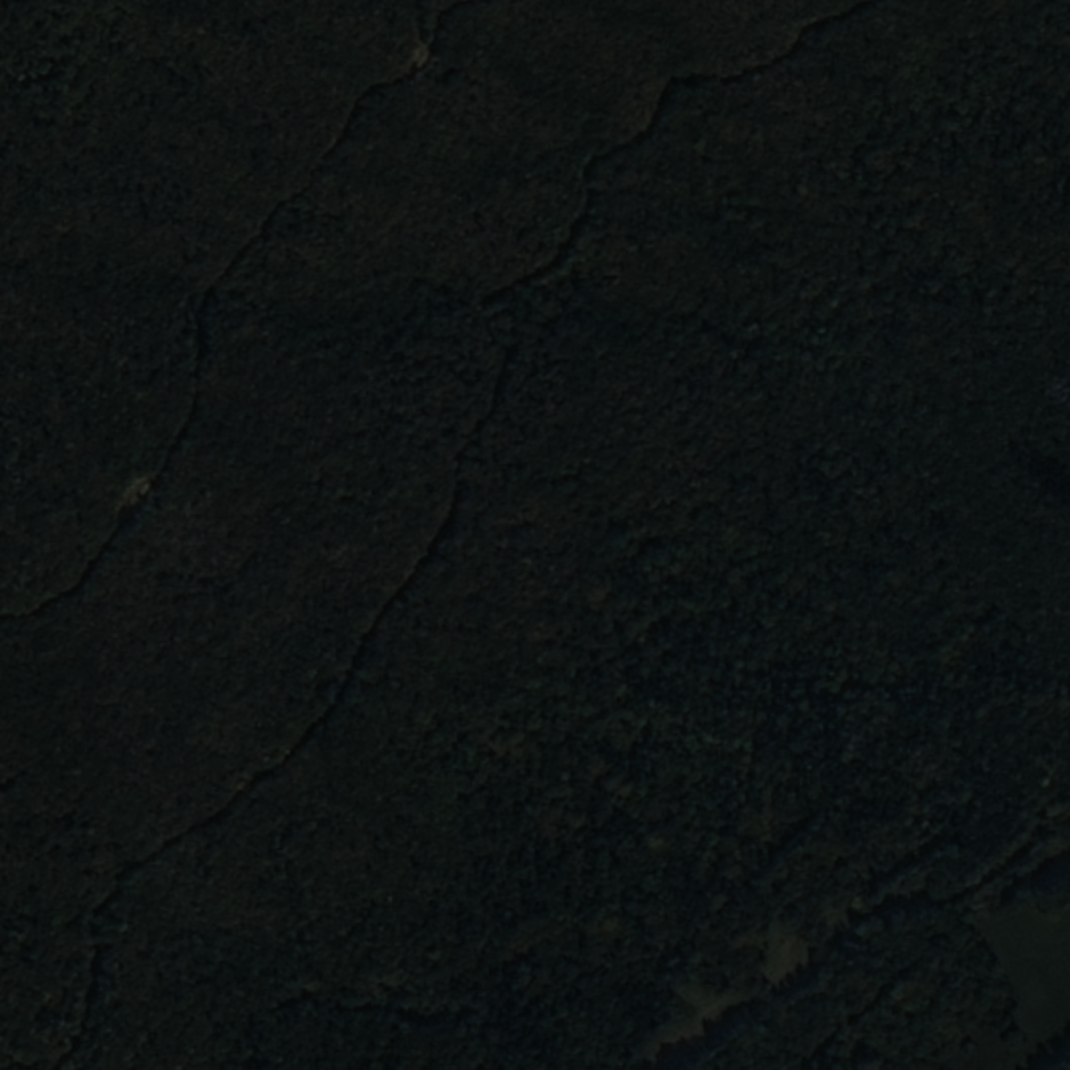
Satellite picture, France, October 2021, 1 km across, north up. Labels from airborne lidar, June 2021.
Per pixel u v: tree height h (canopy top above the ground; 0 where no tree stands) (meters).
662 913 22
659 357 21
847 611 23
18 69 21
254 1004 23
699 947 20
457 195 18
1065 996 0
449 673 24
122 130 12
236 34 19
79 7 18
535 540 21
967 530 21
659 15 25
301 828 18
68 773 24
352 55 18
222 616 15
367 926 23
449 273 18
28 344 22
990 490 19
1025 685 22
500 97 14
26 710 25
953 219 23
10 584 16
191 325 24
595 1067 21
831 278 16
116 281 23
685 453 19
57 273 25
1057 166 22
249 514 15
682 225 24
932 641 24
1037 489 18
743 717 20
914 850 8
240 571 13
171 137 15
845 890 21
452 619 20
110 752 18
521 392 16
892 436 22
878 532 21
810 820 25
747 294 20
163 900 18
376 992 18
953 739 24
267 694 20
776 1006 17
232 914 16
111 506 14
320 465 22
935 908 17
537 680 26
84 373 22
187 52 19
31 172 15
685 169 23
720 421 18
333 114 17
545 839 25
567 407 22
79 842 21
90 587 18
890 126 17
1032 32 22
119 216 21
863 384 23
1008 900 17
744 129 23
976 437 18
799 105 20
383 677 19
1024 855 7
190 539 15
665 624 21
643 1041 25
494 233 15
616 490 15
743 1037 23
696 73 16
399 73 12
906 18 20
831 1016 21
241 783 14
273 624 16
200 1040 23
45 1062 22
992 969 30
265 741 24
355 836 17
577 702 23
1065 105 27
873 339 14
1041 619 21
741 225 21
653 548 20
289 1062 26
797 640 22
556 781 25
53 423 19
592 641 24
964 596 17
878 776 15
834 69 23
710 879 25
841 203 15
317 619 20
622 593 23
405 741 22
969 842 19
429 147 20
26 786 25
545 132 22
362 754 19
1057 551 19
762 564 23
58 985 21
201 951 18
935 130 21
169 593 16
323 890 18
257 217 17
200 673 17
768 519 22
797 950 0
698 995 0
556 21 15
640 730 20
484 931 26
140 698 20
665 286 24
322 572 19
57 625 18
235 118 22
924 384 19
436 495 24
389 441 20
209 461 21
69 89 15
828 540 20
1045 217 21
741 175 22
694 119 26
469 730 24
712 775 23
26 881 28
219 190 18
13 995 23
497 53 21
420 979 24
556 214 21
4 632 22
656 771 27
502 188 21
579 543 25
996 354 18
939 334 18
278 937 20
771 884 23
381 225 16
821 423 20
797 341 23
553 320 28
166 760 19
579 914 25
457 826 27
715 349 27
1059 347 18
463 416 19
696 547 30
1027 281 17
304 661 23
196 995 19
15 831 20
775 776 24
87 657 22
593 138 20
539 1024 29
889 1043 24
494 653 21
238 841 20
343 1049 27
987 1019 22
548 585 20
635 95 16
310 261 18
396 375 15
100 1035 20
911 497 17
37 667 20
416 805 22
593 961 27
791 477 19
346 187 19
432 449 24
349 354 23
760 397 18
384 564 18
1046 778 22
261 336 23
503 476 22
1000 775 21
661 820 22
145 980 21
